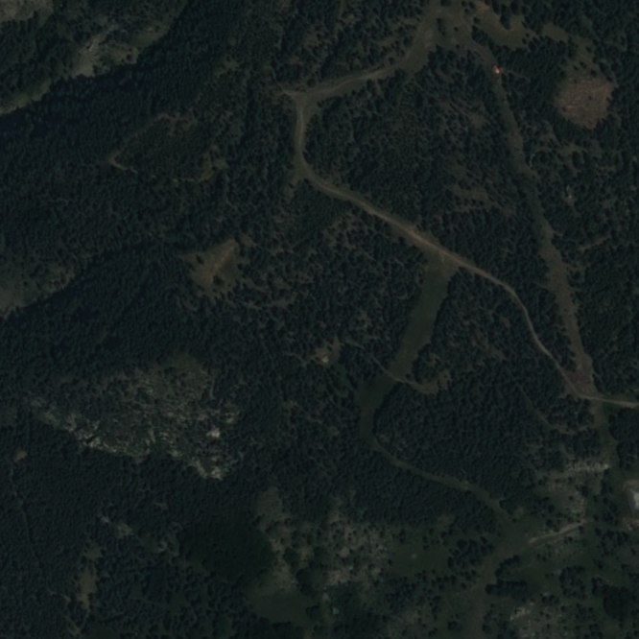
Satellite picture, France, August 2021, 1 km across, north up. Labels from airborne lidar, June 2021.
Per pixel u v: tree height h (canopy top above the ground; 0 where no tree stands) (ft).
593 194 69
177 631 73
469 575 36
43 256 61
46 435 73
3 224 43
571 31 69
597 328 50
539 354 91
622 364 40
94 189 72
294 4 49
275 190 79
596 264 46
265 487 46
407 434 51
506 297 69
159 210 36
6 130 45
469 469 57
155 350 77
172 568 59
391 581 27
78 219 61
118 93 102
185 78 84
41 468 72
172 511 36
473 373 26
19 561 71
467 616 0
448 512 64
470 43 0
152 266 64
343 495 32
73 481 83
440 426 85
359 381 86
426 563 0
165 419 28
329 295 101
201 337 77
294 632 50
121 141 49
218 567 67
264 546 39
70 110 84
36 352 93
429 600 26
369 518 40
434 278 0
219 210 67
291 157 20
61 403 23
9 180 93
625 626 37
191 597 68
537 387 85
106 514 35
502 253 83
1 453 69
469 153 88
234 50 42
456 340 34
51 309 61
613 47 39
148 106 96
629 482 0
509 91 66
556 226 91
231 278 0
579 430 34
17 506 76
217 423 32
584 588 38
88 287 80
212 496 49
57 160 60
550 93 98
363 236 52
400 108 25
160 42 23
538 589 0
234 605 67
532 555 0
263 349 37
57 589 74
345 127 20
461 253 83
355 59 31
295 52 69
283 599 0
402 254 78
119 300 102
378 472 45
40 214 23
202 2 44
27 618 57
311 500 48
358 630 30
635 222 73
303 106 0
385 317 36
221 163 0
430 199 73
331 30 58
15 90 62
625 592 46
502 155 98
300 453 95
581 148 81
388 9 64
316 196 21
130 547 39
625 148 93
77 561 70
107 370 43
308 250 81
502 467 70
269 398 85
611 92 0
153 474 56
